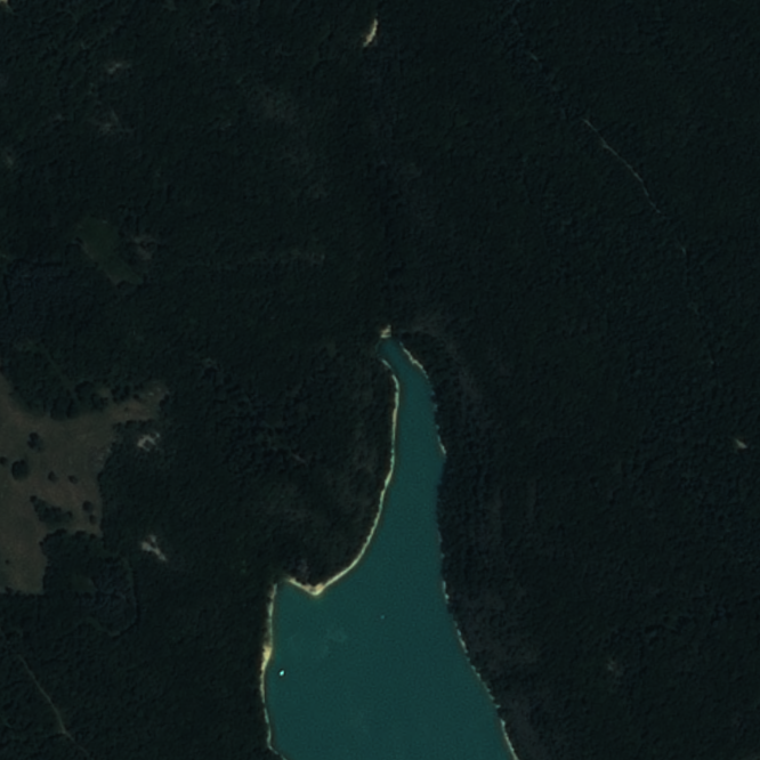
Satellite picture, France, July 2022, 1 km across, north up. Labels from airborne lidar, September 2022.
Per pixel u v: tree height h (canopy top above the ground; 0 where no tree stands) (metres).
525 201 18
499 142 14
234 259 13
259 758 21
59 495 0
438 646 0
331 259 10
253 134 14
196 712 18
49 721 8
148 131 12
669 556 15
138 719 16
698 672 10
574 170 11
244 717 15
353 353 7
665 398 19
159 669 12
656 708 17
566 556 11
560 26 13
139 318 10
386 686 0
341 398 11
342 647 0
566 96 23
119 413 0
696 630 18
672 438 18
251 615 19
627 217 17
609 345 14
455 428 14
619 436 19
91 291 22
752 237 18
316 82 11
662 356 17
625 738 19
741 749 15
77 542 18
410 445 0
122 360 14
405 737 0
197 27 12
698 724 14
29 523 0
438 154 12
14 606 19
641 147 14
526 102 13
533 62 24
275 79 15
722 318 17
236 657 17
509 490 11
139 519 14
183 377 13
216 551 13
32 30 16
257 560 24
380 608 0
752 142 12
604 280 14
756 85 16
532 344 11
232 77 11
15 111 13
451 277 16
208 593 15
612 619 16
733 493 14
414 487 0
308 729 0
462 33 13
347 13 10
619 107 12
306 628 0
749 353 15
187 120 15
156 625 13
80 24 10
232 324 17
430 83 14
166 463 6
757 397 18
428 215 11
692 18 16
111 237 0
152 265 7
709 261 18
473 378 5
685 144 15
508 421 12
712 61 14
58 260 10
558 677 13
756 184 21
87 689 16
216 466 16
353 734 0
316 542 10
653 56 15
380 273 15
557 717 9
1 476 0
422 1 15
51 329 24
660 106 15
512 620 8
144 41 16
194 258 12
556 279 20
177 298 13
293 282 12
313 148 8
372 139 15
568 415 16
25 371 17
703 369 19
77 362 14
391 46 10
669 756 15
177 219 14
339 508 10
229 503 18
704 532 12
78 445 0
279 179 13
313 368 15
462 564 19
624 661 8
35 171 25
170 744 19
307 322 13
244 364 18
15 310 25
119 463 10
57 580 17
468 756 0
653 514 14
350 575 0
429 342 22
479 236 22
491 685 14
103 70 7
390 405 14
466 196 18
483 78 18
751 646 16
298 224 13
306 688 0
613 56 15
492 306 10
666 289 14
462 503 13
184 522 18
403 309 11
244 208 13
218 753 16
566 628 13
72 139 13
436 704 0
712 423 18
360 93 17
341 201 11
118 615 23
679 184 14
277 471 20
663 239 17
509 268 17
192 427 13
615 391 16
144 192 16
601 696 17
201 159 11
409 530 0
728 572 17
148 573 17
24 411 0
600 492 15
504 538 13
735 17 19
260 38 11
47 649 19
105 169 14
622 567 15
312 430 19
